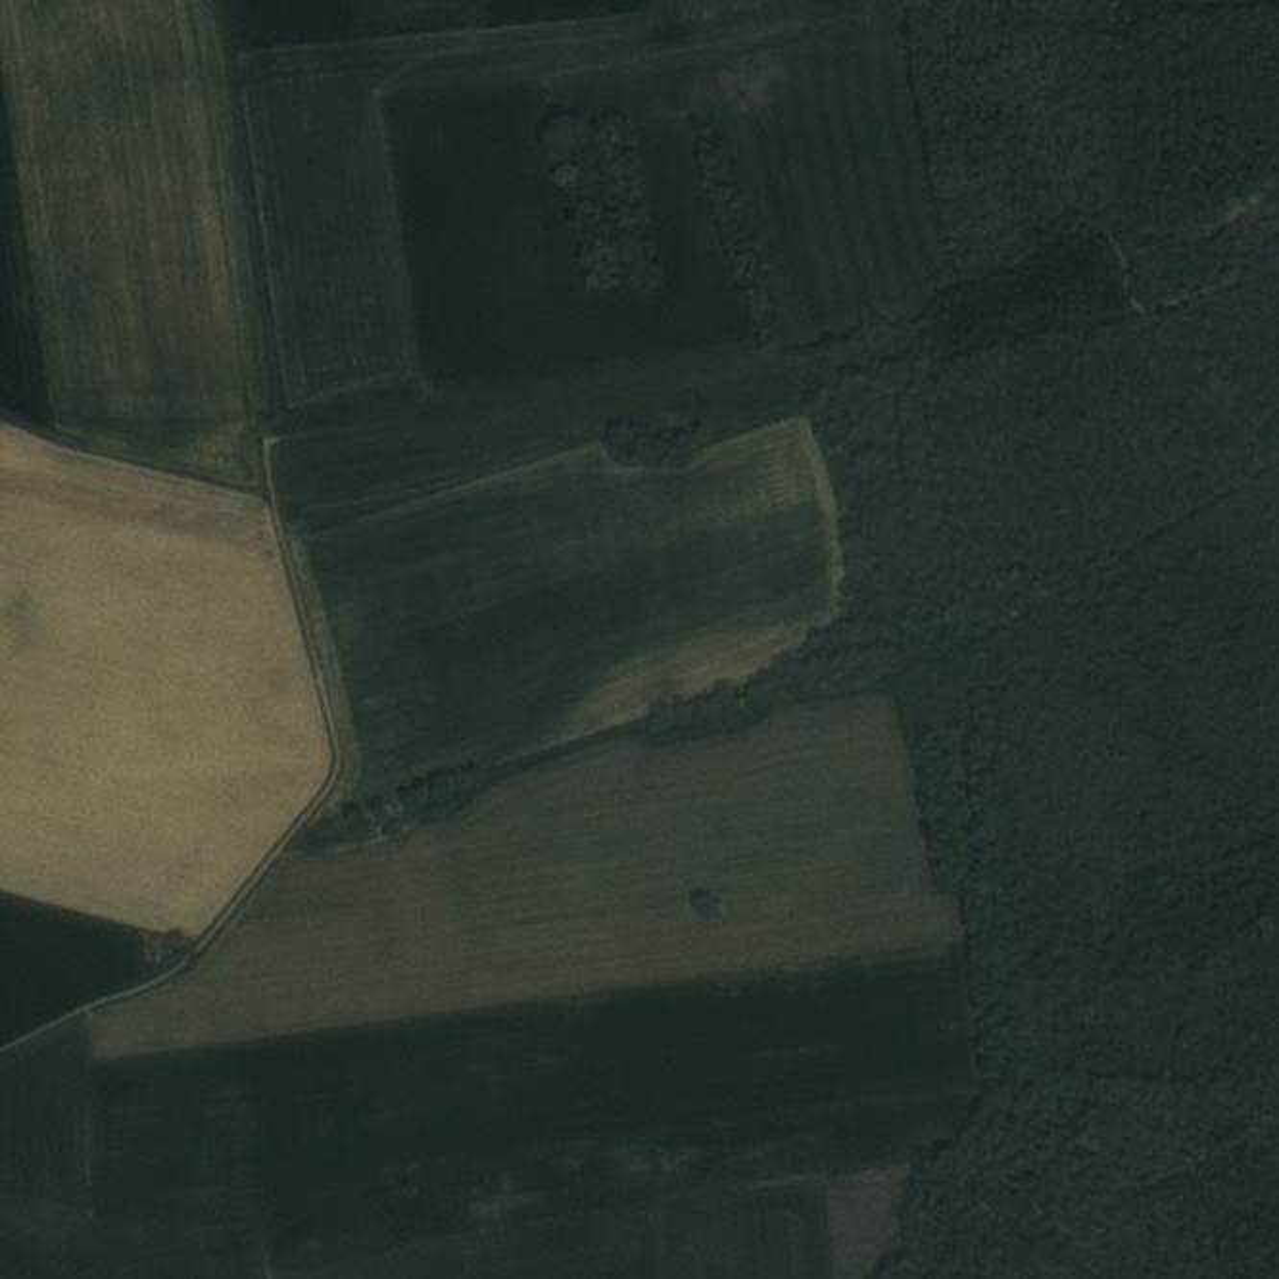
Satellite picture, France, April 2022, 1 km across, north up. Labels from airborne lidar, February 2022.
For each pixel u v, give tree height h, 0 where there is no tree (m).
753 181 0
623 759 0
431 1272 0
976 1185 16
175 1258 0
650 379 0
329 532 0
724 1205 0
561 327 0
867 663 24
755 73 0
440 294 0
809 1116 0
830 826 0
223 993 0
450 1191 0
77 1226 0
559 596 0
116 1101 0
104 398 0
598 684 0
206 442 0
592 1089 0
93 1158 0
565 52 0
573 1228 0
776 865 0
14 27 0
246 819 0
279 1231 0
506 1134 0
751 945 0
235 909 0
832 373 11
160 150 0
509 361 0
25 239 0
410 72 0
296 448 0
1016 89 8
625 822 0
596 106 0
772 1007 0
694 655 0
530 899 0
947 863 16
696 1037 0
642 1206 0
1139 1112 28
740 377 0
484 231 0
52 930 0
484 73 0
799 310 0
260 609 0
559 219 0
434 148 0
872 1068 0
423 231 0
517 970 0
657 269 13
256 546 0
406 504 0
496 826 0
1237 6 6
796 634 0
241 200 0
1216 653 13
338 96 0
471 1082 0
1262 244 7
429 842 0
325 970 0
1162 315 12
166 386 0
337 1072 0
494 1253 0
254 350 0
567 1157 0
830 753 0
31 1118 0
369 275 0
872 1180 0
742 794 0
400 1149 0
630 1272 0
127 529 0
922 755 18
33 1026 0
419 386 0
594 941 0
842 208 0
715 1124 0
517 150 0
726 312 0
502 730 0
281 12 0
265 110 0
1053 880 16
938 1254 22
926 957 0
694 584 0
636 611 0
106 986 0
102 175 0
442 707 0
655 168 0
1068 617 14
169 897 0
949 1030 0
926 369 20
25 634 0
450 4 0
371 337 0
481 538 0
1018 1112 23
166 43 0
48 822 0
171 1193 0
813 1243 0
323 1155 0
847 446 10
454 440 0
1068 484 16
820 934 0
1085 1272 17
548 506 0
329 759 0
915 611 23
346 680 0
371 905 0
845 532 9
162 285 0
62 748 0
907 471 21
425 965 0
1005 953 24
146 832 0
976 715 16
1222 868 19
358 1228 0
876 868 0
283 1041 0
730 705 18
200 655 0
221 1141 0
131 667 0
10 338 0
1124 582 11
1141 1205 18
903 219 0
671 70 0
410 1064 0
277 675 0
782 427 0
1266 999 16
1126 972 14
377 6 0
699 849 0
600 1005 0
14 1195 0
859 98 0
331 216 0
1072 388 15
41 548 0
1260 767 13
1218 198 23
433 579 0
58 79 0
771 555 0
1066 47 22
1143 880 14
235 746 0
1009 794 15
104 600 0
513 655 0
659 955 0
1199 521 15
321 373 0
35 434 0
